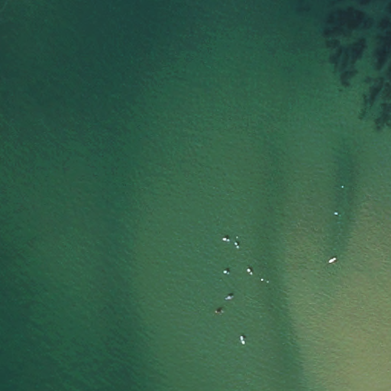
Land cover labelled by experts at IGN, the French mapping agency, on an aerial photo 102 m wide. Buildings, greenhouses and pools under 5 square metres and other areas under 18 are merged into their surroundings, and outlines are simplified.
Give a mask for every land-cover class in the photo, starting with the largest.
<instances>
[{"label":"water","instance_id":"1","mask_svg":"<svg viewBox=\"0 0 391 391\"><path fill-rule=\"evenodd\" d=\"M0 391H391V0H0Z\"/></svg>","mask_w":391,"mask_h":391}]
</instances>
